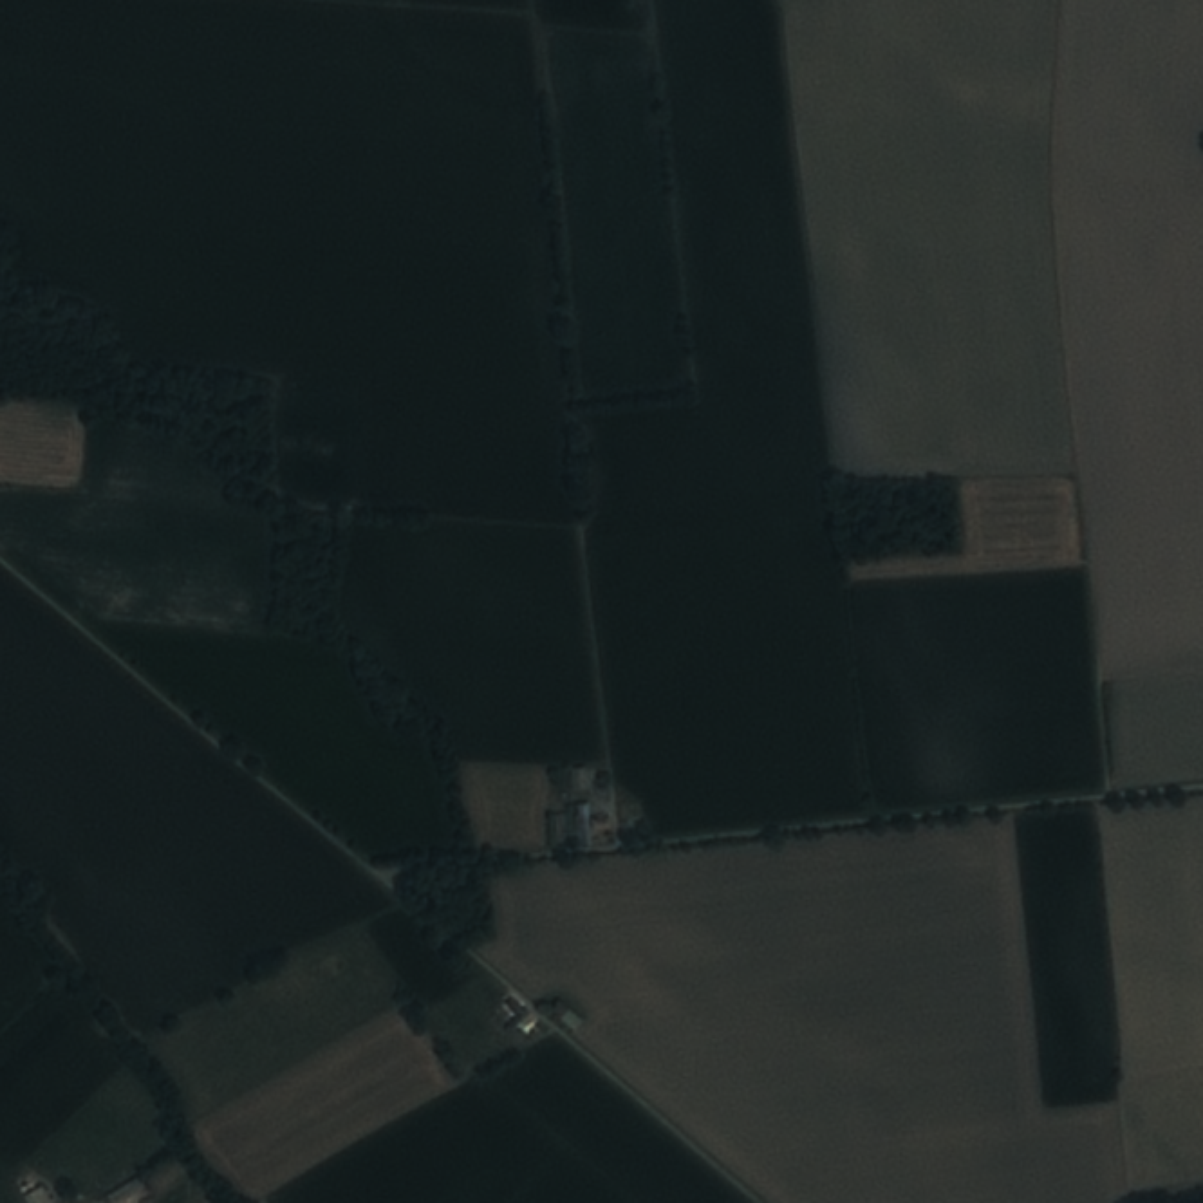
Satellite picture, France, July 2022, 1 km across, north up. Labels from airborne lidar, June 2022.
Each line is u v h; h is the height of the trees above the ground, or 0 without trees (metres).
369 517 15
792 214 0
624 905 0
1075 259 0
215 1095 0
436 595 0
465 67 0
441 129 0
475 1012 0
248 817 0
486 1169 0
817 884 0
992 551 0
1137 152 0
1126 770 0
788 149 0
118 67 0
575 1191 0
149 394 11
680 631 0
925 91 0
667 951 0
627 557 0
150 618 0
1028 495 0
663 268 0
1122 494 0
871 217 0
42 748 0
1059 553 0
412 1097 0
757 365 0
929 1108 0
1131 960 0
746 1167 0
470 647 0
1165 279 0
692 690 0
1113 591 0
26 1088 0
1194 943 0
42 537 0
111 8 0
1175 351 0
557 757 0
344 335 0
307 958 0
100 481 0
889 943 0
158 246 0
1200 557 0
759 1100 0
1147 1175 0
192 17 0
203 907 0
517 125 0
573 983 0
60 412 0
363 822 0
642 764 0
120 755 0
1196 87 0
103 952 0
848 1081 0
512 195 0
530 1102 0
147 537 0
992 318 0
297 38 0
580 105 0
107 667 0
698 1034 0
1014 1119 0
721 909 0
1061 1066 0
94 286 0
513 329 0
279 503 23
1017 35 0
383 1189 0
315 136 0
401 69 0
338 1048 0
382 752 0
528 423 0
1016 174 0
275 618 13
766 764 0
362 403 0
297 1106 0
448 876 22
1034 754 0
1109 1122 0
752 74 0
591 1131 0
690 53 0
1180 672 0
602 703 0
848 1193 0
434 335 0
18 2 0
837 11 0
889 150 0
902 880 0
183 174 0
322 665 0
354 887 0
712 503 0
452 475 0
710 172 0
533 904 0
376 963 0
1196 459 0
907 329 0
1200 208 0
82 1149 0
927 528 9
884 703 0
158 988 0
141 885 0
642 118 0
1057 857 0
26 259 0
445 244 0
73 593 0
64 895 0
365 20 0
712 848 8
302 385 0
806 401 0
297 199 0
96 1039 0
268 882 0
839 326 0
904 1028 0
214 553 0
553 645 0
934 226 0
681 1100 0
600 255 0
